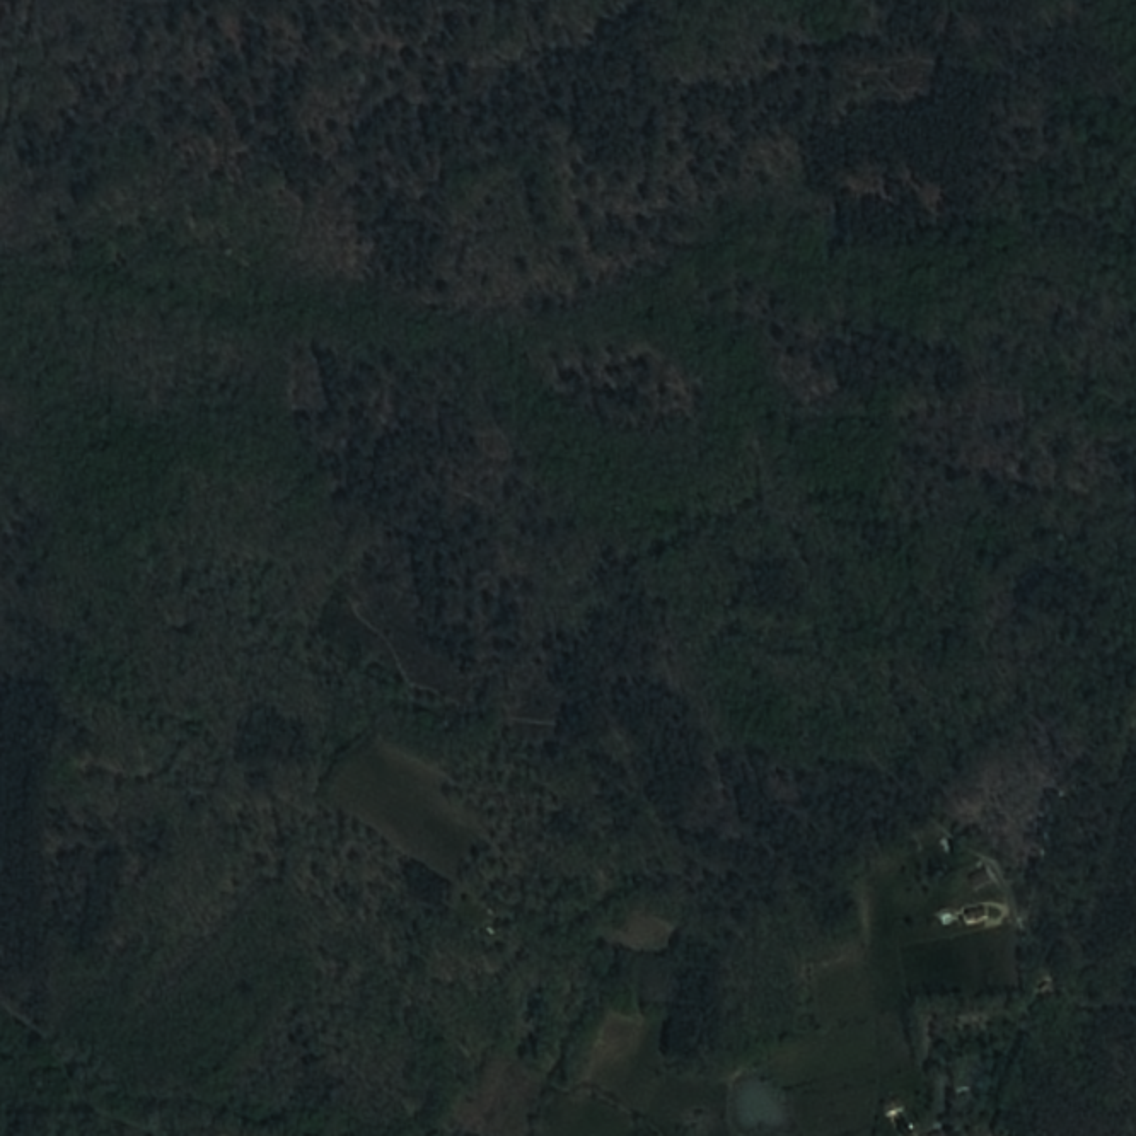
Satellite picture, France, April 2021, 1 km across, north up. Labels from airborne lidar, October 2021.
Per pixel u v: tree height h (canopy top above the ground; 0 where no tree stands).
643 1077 0
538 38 10
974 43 15
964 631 16
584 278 20
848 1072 0
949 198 19
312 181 24
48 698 21
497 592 8
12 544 9
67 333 19
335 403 22
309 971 13
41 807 21
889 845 20
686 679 15
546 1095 9
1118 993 15
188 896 20
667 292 23
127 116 14
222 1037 18
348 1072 9
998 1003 19
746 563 16
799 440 24
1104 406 15
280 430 18
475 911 0
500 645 8
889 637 20
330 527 16
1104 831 22
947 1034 7
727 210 19
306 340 20
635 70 18
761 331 12
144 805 17
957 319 23
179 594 15
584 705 21
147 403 13
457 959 18
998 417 8
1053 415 17
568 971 22
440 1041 19
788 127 21
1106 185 19
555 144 14
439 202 14
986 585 19
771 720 23
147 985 21
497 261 11
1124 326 8
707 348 24
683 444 18
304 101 18
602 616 19
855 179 22
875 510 21
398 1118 20
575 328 20
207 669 18
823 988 0
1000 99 25
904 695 21
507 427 23
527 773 16
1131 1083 21
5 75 18
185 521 18
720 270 20
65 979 17
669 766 19
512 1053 15
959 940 0
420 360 21
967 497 18
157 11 13
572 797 16
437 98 20
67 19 15
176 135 23
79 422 25
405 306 16
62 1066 15
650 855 15
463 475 23
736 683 21
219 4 16
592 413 12
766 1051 13
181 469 21
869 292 20
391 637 12
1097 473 10
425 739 20
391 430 7
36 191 9
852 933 20
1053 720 17
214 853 18
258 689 19
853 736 23
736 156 17
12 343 26
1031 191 19
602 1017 18
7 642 18
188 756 14
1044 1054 19
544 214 16
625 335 20
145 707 13
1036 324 13
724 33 15
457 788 14
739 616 21
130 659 18
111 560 26
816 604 21
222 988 19
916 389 20
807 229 24
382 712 18
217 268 20
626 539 20
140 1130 17
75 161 16
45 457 19
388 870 10
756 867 16
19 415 15
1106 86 15
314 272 14
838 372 23
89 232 15
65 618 17
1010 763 14
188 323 18
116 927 21
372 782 0
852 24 17
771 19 17
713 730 19
